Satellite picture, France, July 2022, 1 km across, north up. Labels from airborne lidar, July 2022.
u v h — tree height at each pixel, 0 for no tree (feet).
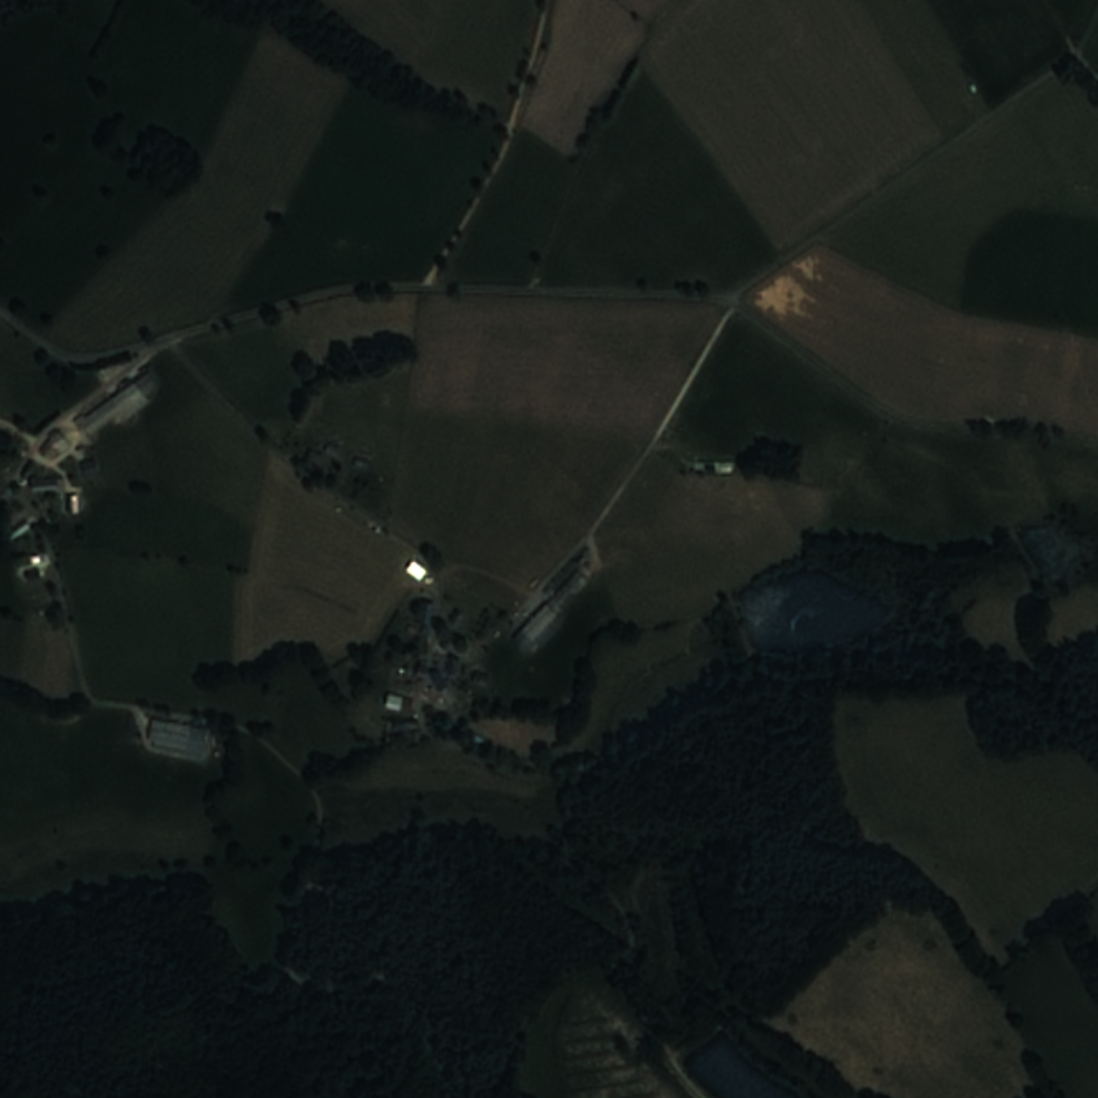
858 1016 0
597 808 31
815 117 0
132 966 54
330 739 0
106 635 0
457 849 73
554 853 60
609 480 0
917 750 0
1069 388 0
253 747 0
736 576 0
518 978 46
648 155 0
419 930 78
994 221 0
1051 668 50
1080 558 0
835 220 0
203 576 0
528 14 0
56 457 0
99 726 0
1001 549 59
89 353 0
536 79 24
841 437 0
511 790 0
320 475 48
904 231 0
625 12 0
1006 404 0
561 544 0
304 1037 74
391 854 58
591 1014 0
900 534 0
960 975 0
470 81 0
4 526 52
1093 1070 0
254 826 0
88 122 0
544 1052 0
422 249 0
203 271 0
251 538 0
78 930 73
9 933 71
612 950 61
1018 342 0
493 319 0
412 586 0
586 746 0
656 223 0
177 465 0
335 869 68
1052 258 0
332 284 0
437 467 0
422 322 0
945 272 0
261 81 0
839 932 55
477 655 0
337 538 0
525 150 0
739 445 0
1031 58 0
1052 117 0
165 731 0
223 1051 76
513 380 0
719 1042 0
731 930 76
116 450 0
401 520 0
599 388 0
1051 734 31
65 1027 78
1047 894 0
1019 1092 0
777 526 0
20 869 0
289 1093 78
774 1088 0
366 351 79
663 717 65
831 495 0
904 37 0
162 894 34
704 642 0
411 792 0
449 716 45
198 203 0
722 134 0
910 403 0
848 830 72
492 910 56
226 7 77
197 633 0
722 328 0
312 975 63
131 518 0
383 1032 46
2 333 0
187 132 0
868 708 0
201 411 0
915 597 37
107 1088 60
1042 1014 0
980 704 62
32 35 0
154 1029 76
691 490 0
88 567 0
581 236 0
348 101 0
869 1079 0
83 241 0
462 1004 63
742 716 57
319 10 33
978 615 0
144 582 0
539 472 0
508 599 0
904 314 0
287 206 0
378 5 0
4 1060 69
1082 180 0
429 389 0
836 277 0
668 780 58
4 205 0
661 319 0
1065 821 0
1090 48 0
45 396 0
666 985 0
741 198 0
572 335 0
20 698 60
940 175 0
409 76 41
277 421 0
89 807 0
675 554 0
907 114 0
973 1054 0
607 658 0
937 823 0
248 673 52
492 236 0
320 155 0
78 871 0
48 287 0
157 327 0
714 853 70
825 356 0
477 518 0
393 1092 62
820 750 82
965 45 0
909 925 0
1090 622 0
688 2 0
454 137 0
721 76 0
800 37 0
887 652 67
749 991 72
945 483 0
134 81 0
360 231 0
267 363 0
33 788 0
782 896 86
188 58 0
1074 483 0
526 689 0
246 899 0
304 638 0
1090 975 45
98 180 0
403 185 0
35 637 0
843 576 28
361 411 0
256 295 0
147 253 0
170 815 0
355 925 67
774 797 62
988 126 0
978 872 0
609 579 0
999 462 0
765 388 0
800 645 0
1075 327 0
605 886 23
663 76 0
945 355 0
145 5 0
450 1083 55
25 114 0
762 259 0
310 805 0
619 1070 0
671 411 0
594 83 0
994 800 0
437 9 0
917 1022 0
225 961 80
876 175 0
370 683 36
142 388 0
